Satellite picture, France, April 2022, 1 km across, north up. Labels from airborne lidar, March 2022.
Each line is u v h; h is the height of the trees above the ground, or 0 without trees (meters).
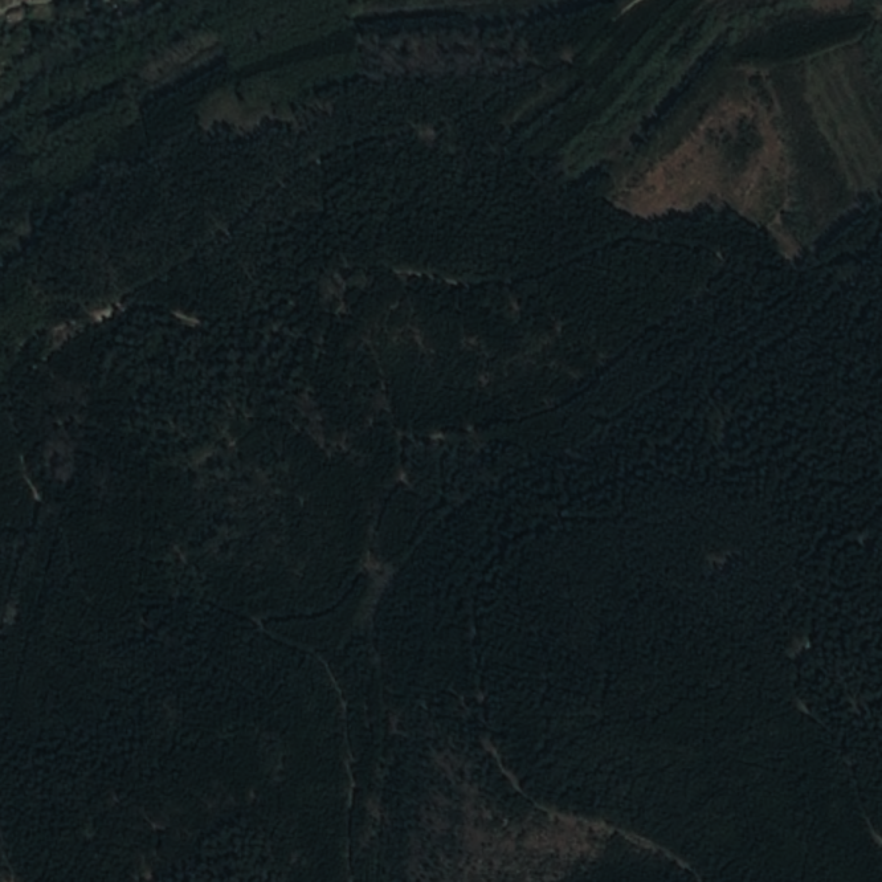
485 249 28
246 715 23
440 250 23
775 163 0
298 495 8
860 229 22
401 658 13
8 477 10
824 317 24
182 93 14
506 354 10
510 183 27
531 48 29
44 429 21
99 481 23
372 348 9
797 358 27
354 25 21
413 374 10
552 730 18
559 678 23
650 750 17
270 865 29
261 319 28
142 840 18
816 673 27
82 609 26
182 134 15
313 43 13
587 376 8
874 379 27
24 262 26
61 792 26
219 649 24
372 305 14
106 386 30
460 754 8
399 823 7
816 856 11
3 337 17
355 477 13
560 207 24
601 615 20
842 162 0
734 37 12
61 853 25
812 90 0
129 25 26
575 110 17
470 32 15
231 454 27
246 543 9
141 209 22
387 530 25
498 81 18
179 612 22
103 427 14
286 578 10
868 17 8
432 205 24
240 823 12
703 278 22
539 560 22
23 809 25
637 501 22
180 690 24
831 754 17
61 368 13
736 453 21
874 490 24
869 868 13
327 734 17
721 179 0
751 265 28
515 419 21
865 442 26
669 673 22
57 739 24
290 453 12
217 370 29
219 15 16
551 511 27
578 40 27
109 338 12
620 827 14
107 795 24
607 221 26
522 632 21
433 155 21
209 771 17
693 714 14
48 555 18
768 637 23
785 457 26
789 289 27
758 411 23
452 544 17
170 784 21
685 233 26
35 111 12
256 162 25
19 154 23
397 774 13
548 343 12
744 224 24
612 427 24
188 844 15
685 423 29
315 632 30
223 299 21
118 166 20
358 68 10
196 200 23
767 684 18
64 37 16
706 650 24
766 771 14
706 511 23
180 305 17
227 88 15
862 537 21
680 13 10
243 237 30
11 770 24
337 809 14
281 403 13
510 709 23
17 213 17
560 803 16
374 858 19
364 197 26
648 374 31
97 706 20
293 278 27
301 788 15
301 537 12
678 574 21
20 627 17
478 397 13
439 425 16
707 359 25
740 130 8
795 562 23
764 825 16
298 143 23
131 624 24
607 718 17
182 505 10
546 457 16
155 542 17
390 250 27
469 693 13
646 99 11
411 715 9
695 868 14
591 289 20
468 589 18
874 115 0
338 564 12
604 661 19
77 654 24
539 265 24
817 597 27
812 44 8
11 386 11
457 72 30
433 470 27
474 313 18
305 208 23
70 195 10
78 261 26
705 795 9
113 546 20
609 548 21
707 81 26
